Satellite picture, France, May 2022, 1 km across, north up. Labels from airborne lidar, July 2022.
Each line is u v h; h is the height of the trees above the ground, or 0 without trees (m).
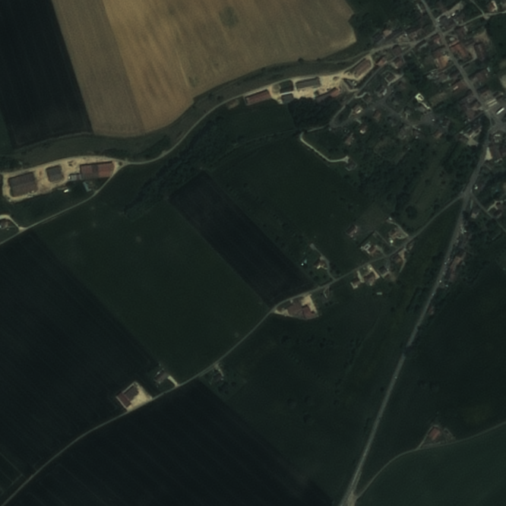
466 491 0
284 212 0
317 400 0
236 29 0
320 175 0
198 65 0
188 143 0
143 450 0
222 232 0
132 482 0
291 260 0
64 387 0
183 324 0
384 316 0
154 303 0
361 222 0
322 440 0
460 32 0
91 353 0
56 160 0
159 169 0
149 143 0
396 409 0
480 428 0
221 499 0
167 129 0
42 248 0
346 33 0
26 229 0
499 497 0
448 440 0
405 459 0
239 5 0
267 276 0
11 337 0
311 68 0
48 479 0
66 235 0
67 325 0
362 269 0
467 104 0
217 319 0
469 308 0
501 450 0
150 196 14
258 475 0
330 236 0
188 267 0
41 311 0
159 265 0
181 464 0
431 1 10
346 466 0
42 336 0
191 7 0
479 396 0
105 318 0
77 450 0
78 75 0
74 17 0
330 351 0
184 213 0
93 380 0
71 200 0
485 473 0
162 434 0
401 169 9
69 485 0
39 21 0
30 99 0
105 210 0
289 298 0
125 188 0
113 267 0
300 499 0
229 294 0
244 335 0
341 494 0
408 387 0
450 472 0
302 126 16
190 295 0
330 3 0
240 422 0
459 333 0
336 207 0
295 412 0
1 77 0
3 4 0
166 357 0
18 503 0
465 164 8
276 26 0
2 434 0
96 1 0
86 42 0
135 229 0
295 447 0
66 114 0
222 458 0
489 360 0
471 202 0
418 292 13
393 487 0
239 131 0
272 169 0
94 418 0
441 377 0
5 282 0
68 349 0
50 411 0
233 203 0
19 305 0
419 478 0
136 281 0
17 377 0
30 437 0
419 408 0
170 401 0
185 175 11
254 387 0
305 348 0
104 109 0
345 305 0
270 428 0
